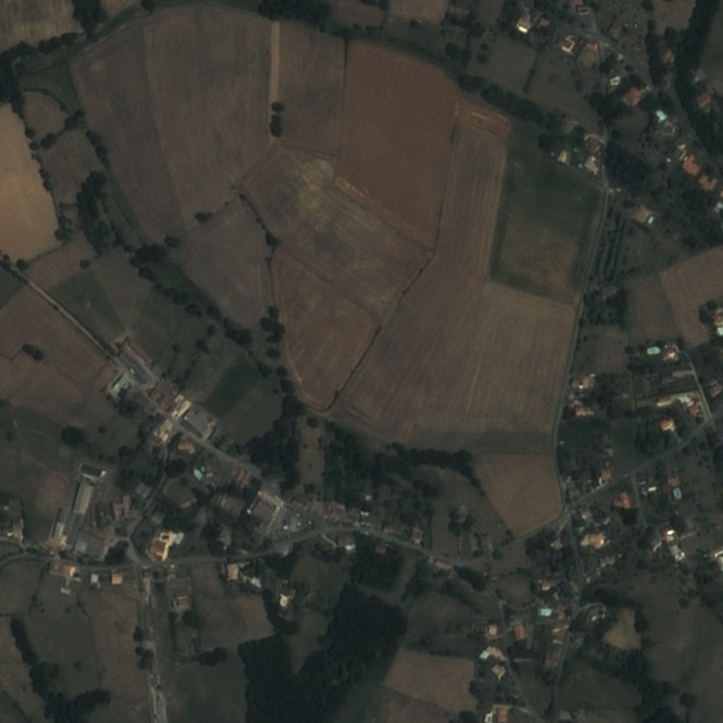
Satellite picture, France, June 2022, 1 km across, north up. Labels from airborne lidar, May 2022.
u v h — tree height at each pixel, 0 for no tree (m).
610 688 0
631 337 0
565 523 0
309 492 9
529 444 0
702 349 9
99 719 0
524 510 0
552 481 0
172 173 0
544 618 0
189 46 0
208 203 0
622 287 11
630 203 6
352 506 14
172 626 7
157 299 0
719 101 12
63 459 0
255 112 0
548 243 0
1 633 0
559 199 0
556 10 10
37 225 0
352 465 7
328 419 9
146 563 0
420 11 0
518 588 0
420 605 0
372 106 0
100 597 0
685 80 17
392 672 0
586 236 0
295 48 0
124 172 0
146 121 0
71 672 0
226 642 0
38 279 0
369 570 7
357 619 20
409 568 0
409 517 12
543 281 0
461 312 0
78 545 0
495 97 29
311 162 0
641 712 13
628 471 0
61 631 0
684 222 7
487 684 0
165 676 0
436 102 0
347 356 0
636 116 0
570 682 0
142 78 0
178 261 0
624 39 0
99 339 8
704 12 20
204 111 0
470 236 0
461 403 0
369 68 0
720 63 0
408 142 0
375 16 0
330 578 0
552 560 8
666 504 7
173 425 0
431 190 0
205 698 0
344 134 0
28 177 0
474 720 13
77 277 0
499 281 0
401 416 0
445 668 0
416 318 0
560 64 0
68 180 0
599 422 6
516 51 0
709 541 0
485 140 0
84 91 0
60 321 0
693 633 0
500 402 0
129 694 0
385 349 0
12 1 0
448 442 0
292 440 13
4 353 0
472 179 0
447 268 0
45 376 0
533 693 0
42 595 0
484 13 0
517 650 13
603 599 13
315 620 0
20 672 0
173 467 13
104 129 0
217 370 0
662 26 0
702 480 0
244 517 6
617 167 20
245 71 0
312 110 0
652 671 16
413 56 0
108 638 0
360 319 0
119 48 0
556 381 0
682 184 6
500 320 0
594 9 8
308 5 28
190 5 0
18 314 0
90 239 8
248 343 21
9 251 0
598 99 16
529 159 0
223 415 0
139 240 0
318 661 15
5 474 0
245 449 15
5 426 0
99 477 0
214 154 0
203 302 0
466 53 9
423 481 19
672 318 0
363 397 0
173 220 0
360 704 0
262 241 0
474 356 0
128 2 0
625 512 15
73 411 0
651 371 11
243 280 0
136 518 0
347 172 0
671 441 14
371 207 0
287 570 18
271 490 0
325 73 0
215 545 10
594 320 11
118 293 0
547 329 0
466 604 8
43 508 0
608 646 7
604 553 7
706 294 0
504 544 5
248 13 0
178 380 7
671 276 0
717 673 0
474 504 0
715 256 0
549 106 0
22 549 6
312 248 0
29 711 0
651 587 0
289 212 0
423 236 0
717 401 13
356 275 0
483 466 0
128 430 0
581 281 0
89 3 0
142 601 0
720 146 13
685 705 17
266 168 0
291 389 16
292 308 0
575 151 0
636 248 0
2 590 0
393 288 0
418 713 0
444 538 0
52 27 0
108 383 0
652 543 0
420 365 0
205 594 0
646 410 12
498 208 0
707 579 12
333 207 0
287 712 21
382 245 0
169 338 0
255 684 15
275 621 14
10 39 0
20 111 14
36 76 0
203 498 9
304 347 0
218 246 0
